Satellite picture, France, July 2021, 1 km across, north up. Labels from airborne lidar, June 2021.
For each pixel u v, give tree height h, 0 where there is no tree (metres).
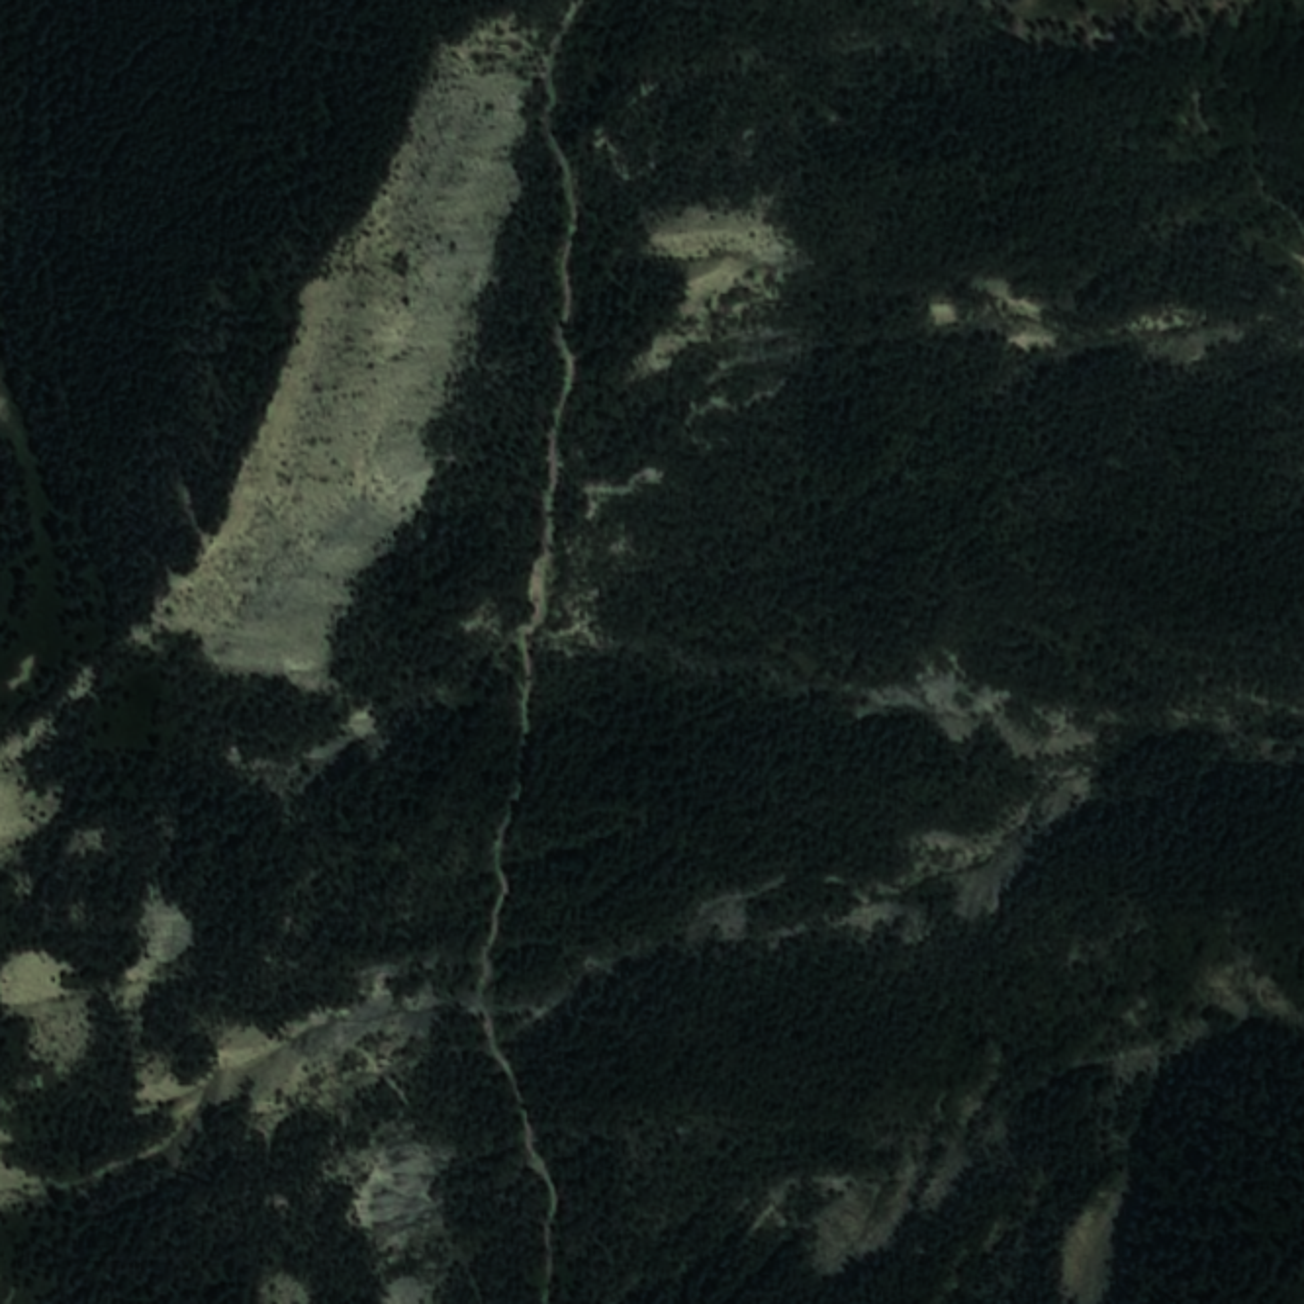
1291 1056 18
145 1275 13
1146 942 11
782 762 20
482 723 12
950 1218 12
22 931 6
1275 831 26
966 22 10
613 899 14
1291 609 14
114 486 17
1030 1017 8
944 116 21
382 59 22
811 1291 18
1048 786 7
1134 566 12
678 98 9
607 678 12
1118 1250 7
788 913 9
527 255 9
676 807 22
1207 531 7
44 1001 0
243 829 8
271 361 13
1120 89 12
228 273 14
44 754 10
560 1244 9
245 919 14
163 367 16
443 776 21
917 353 8
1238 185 10
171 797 9
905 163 17
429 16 12
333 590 0
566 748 16
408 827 12
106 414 16
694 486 8
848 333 5
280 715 9
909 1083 7
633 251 8
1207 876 15
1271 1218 10
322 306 0
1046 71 16
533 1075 13
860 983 9
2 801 0
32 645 0
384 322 0
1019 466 11
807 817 11
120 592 15
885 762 16
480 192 0
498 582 13
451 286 0
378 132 14
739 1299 21
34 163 22
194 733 13
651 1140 11
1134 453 7
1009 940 8
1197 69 14
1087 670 11
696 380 12
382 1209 0
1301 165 15
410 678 16
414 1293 0
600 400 13
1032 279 7
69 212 16
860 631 11
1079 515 9
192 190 19
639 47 15
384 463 0
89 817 9
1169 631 7
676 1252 13
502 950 8
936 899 8
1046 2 0
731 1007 11
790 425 8
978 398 7
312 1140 11
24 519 14
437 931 13
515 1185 7
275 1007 6
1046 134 15
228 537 0
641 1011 18
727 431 6
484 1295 10
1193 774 17
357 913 12
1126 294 13
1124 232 13
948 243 7
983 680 7
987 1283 10
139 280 21
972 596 7
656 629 13
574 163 8
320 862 7
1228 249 13
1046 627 12
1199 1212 17
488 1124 9
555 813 16
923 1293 16
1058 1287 7
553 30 7
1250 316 5
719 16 15
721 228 0
